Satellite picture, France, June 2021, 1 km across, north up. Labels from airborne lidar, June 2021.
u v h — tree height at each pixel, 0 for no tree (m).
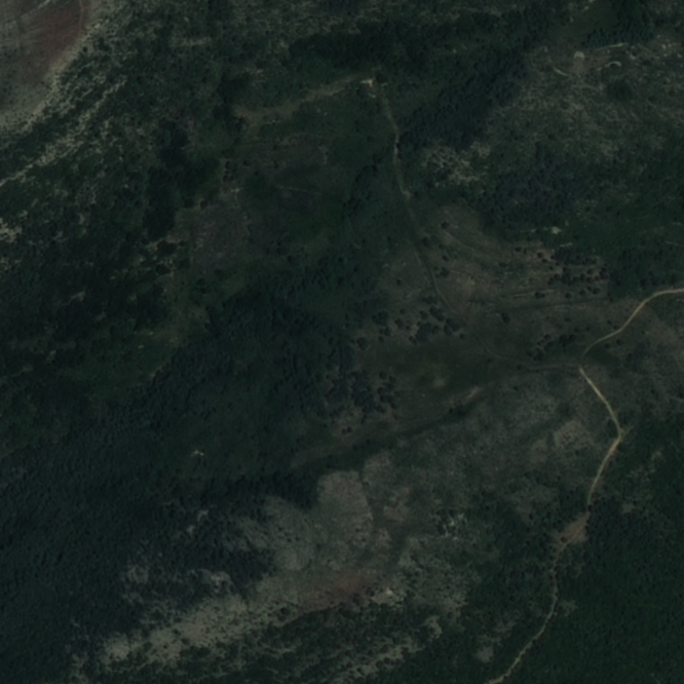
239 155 0
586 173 6
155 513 14
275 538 0
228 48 6
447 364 0
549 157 11
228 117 9
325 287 9
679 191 9
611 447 0
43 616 11
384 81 10
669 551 10
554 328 0
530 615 9
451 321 9
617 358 0
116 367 8
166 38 6
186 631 0
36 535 15
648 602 6
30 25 0
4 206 7
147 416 9
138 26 6
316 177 0
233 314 7
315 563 0
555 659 7
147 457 15
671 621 14
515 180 11
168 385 8
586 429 0
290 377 10
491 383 0
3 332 14
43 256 8
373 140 8
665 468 8
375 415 0
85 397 10
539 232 10
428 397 0
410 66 10
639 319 0
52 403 11
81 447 9
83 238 9
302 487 7
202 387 13
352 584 0
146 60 6
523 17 10
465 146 6
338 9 9
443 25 9
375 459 0
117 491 14
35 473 9
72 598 7
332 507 0
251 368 10
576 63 0
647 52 0
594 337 0
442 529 7
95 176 8
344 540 0
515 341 0
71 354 11
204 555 6
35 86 0
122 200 14
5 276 6
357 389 10
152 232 14
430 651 9
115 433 12
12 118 0
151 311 11
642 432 6
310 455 0
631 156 7
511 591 10
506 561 6
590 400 0
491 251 0
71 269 9
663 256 11
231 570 6
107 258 12
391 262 0
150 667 5
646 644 6
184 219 0
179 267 7
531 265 0
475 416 0
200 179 10
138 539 7
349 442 0
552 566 6
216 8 8
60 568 13
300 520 0
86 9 0
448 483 0
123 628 6
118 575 9
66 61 0
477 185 7
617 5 7
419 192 11
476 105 17
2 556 15
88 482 8
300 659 5
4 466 10
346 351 11
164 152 13
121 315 10
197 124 9
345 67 13
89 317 13
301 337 8
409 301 0
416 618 5
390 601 0
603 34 8
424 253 0
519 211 7
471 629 6
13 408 10
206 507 9
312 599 0
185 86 7
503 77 13
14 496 12
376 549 0
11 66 0
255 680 7
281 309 13
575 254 12
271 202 0
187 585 6
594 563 9
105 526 7
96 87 6
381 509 0
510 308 0
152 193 14
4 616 13
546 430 0
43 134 6
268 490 11
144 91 6
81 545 10
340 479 0
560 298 0
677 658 11
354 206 8
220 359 11
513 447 0
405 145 11
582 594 6
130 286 15
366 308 7
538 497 0
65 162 8
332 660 6
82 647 5
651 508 12
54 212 9
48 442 8
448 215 0
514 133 8
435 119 7
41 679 7
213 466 6
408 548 0
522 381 0
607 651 6
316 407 7
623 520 11
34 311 10
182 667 7
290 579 0
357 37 12
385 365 0
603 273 12
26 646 10
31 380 13
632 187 6
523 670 11
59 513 13
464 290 0
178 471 7
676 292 0
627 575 7
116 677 6
